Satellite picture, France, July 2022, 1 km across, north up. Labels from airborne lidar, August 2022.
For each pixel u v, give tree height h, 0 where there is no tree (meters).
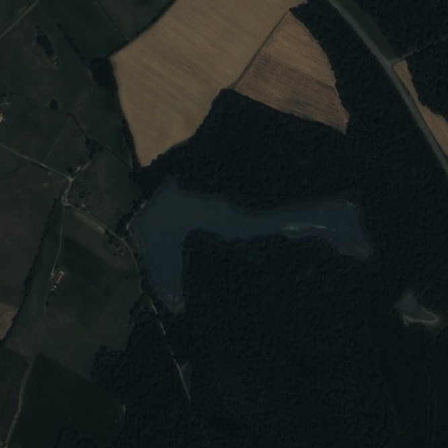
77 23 0
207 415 18
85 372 0
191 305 24
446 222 16
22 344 0
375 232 20
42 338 0
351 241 0
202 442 17
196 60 0
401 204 18
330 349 18
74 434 16
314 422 19
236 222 0
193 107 0
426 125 0
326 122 0
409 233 22
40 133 0
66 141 0
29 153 0
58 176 0
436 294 24
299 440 19
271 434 28
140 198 7
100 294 0
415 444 6
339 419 29
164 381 24
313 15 21
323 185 16
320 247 25
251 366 25
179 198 0
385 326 6
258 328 27
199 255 25
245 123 22
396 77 0
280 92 0
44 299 0
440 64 29
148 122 0
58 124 0
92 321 0
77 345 0
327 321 20
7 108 0
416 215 22
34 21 0
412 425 6
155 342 20
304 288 18
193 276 24
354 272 18
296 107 0
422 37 24
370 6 20
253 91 0
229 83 0
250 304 23
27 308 0
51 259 0
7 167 0
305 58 0
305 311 18
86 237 0
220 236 12
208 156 13
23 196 0
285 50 0
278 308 23
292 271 20
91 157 12
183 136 0
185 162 26
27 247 0
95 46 0
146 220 0
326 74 0
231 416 21
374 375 28
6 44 0
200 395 18
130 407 12
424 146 14
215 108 18
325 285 21
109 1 0
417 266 15
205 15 0
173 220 0
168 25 0
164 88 0
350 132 19
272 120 21
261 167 22
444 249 27
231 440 23
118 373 11
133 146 15
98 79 15
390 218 21
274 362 17
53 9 0
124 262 0
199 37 0
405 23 25
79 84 0
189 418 23
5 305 0
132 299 0
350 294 25
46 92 0
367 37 0
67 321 0
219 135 21
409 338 6
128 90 0
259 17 0
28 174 0
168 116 0
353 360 29
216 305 25
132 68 0
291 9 9
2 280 0
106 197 0
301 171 22
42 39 18
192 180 20
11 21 0
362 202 12
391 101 17
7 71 0
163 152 0
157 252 0
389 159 22
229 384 28
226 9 0
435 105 26
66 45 0
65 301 0
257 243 22
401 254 21
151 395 25
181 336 13
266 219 0
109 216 0
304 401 25
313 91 0
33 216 0
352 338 18
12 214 0
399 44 24
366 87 14
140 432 23
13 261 0
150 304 12
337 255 16
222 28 0
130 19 0
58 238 0
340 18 15
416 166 24
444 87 30
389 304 18
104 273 0
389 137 19
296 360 25
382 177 21
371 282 17
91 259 0
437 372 7
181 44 0
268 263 21
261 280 24
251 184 29
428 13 25
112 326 0
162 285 0
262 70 0
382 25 23
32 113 0
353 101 16
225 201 0
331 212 0
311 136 18
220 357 27
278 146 22
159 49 0
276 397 29
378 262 6
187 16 0
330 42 21
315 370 27
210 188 17
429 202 17
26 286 11
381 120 24
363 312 25
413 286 22
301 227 0
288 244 19
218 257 21
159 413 24
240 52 0
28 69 0
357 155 22
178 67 0
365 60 14
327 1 13
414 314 0
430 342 10
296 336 19
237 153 21
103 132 0
